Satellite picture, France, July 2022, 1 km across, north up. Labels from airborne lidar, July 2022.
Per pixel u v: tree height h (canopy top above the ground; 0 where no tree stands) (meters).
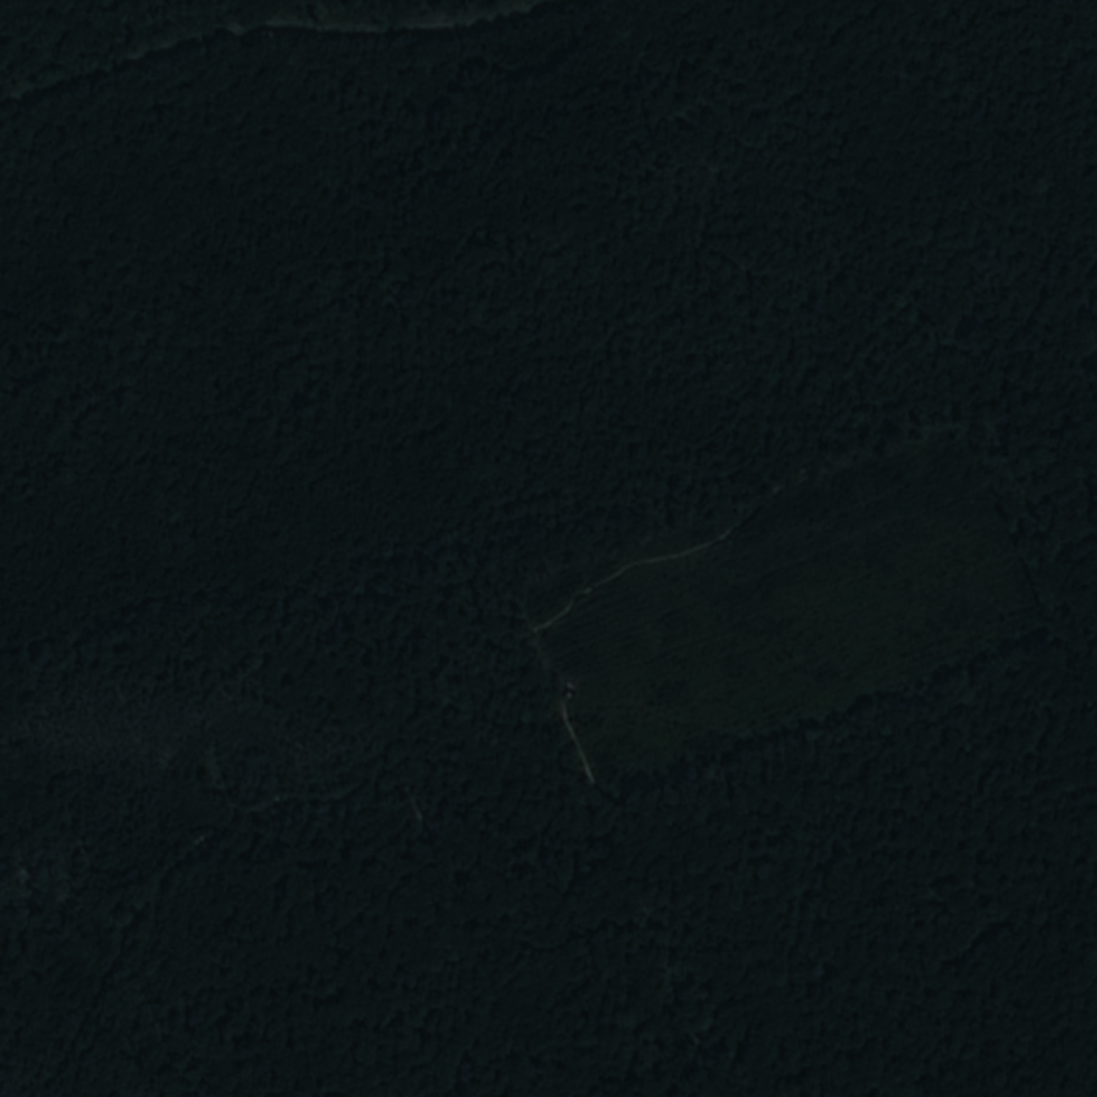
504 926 24
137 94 23
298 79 22
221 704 15
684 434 19
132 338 21
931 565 0
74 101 23
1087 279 19
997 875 20
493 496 20
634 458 24
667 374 18
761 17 22
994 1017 26
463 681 21
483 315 20
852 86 22
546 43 9
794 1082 27
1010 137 24
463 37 21
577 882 25
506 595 22
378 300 18
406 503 18
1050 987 19
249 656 23
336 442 19
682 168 16
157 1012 17
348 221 17
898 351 24
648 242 12
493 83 21
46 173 23
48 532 16
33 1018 22
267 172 22
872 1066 23
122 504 17
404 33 15
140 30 20
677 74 19
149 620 28
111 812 22
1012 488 26
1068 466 25
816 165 20
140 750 18
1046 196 20
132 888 21
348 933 27
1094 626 22
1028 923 21
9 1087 24
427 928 25
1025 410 24
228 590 22
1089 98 15
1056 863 19
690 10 26
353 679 22
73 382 11
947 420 22
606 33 24
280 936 21
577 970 24
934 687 11
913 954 24
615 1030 25
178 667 18
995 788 21
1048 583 25
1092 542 25
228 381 18
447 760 30
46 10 21
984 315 15
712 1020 17
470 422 20
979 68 20
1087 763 23
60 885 15
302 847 25
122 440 18
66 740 18
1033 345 24
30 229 23
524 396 24
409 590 25
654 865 18
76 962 23
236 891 19
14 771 21
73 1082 18
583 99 22
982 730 24
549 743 24
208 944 21
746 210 18
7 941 24
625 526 22
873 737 18
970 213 23
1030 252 22
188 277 9
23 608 23
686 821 16
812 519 7
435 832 26
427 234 24
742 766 21
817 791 17
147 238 18
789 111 20
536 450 19
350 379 15
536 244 18
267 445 16
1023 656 20
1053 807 22
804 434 18
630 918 6
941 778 25
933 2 21
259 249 21
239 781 16
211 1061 18
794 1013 22
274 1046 22
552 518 25
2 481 19
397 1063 20
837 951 25
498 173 24
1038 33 23
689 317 23
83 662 24
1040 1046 18
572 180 23
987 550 0
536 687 20
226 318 14
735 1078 23
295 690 20
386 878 23
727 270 17
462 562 26
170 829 24
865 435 27
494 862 24
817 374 24
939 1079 20
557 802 21
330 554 15
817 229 15
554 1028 23
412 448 19
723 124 21
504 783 25
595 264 21
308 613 27
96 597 23
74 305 18
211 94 21
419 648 23
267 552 17
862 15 23
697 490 24
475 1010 21
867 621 0
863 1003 22
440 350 19
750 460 25
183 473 20
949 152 19
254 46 23
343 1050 20
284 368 21
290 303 15
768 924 22
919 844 23
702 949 22
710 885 15
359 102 21
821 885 16
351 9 17
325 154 19
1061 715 20
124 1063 21
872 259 18
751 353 20
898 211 22
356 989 26
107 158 19
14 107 18
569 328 18
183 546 24
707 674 0
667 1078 28
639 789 24
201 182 23
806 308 16
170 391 17
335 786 23
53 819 23
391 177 29
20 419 16
